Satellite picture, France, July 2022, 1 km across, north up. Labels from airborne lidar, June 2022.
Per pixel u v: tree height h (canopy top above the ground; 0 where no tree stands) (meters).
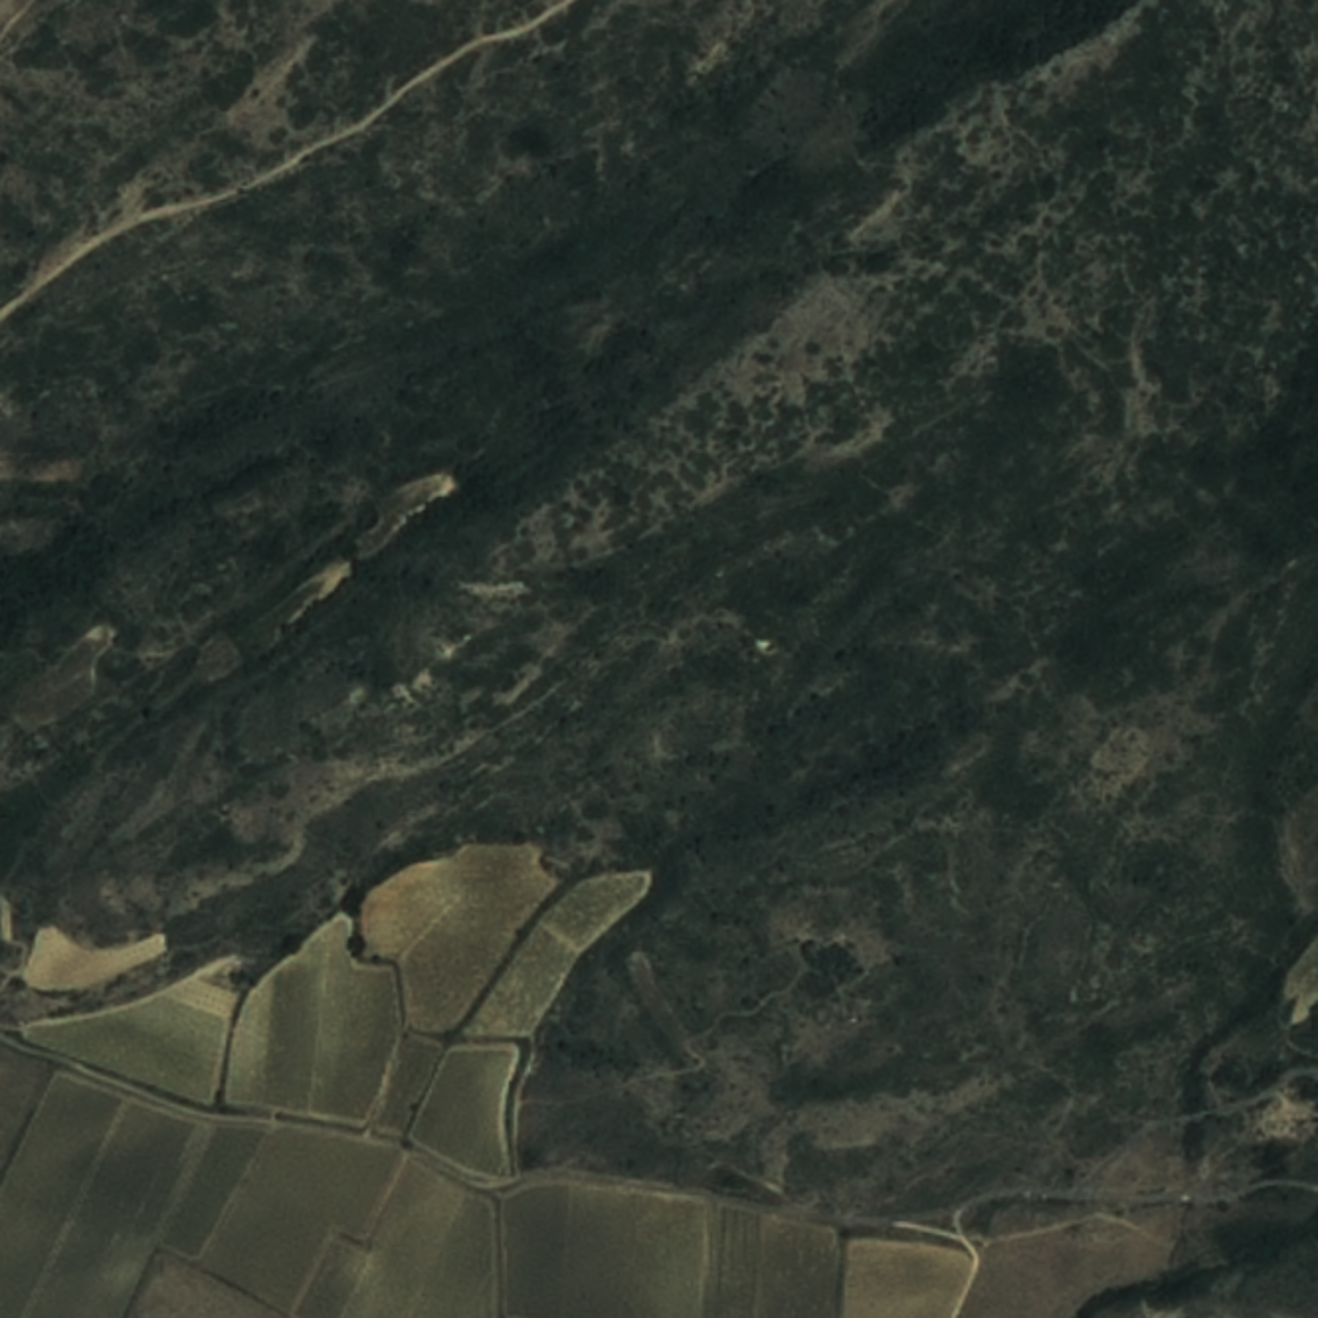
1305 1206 0
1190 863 0
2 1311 0
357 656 0
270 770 0
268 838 0
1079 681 0
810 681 0
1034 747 0
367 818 0
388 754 0
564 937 0
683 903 0
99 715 0
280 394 8
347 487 0
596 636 0
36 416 9
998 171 0
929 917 0
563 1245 0
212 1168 0
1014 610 0
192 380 0
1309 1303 0
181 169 0
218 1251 0
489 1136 0
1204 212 0
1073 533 0
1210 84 0
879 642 0
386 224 0
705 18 0
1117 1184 0
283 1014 0
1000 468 0
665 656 0
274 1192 0
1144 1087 0
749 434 0
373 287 0
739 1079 0
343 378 0
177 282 0
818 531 0
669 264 0
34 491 7
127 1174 0
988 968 0
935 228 0
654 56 0
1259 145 0
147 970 0
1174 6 0
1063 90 0
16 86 0
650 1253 0
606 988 0
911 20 0
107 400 11
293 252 0
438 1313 0
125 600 0
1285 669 0
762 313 0
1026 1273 0
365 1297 0
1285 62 0
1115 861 0
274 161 0
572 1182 0
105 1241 0
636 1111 0
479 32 0
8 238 6
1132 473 0
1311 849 0
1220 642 0
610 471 0
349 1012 0
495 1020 0
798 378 0
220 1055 0
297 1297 0
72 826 0
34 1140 0
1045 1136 0
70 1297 0
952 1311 0
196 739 0
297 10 0
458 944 0
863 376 0
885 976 0
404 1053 0
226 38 0
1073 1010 0
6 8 0
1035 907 0
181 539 0
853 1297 0
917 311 0
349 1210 0
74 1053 0
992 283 0
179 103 0
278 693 0
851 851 0
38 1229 0
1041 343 0
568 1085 0
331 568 0
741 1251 0
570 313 0
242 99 0
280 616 0
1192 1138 6
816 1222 0
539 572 0
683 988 0
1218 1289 0
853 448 0
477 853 0
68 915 0
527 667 0
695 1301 0
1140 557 0
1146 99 0
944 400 0
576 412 7
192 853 0
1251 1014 6
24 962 0
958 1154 0
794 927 0
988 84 0
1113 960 0
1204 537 0
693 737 0
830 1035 0
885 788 6
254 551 7
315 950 0
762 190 6
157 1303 0
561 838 0
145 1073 0
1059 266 0
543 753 0
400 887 0
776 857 0
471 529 0
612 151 0
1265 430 5
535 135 5
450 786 7
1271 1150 6
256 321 0
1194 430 0
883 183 0
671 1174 0
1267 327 0
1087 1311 8
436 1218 0
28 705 0
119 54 0
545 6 0
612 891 0
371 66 0
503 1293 0
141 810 0
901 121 8
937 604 0
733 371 0
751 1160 0
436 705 0
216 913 0
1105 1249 0
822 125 0
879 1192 0
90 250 0
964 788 0
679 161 0
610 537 0
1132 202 0
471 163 0
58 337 0
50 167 0
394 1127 0
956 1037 0
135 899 0
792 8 0
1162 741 0
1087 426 0
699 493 0
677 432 0
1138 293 0
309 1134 0
